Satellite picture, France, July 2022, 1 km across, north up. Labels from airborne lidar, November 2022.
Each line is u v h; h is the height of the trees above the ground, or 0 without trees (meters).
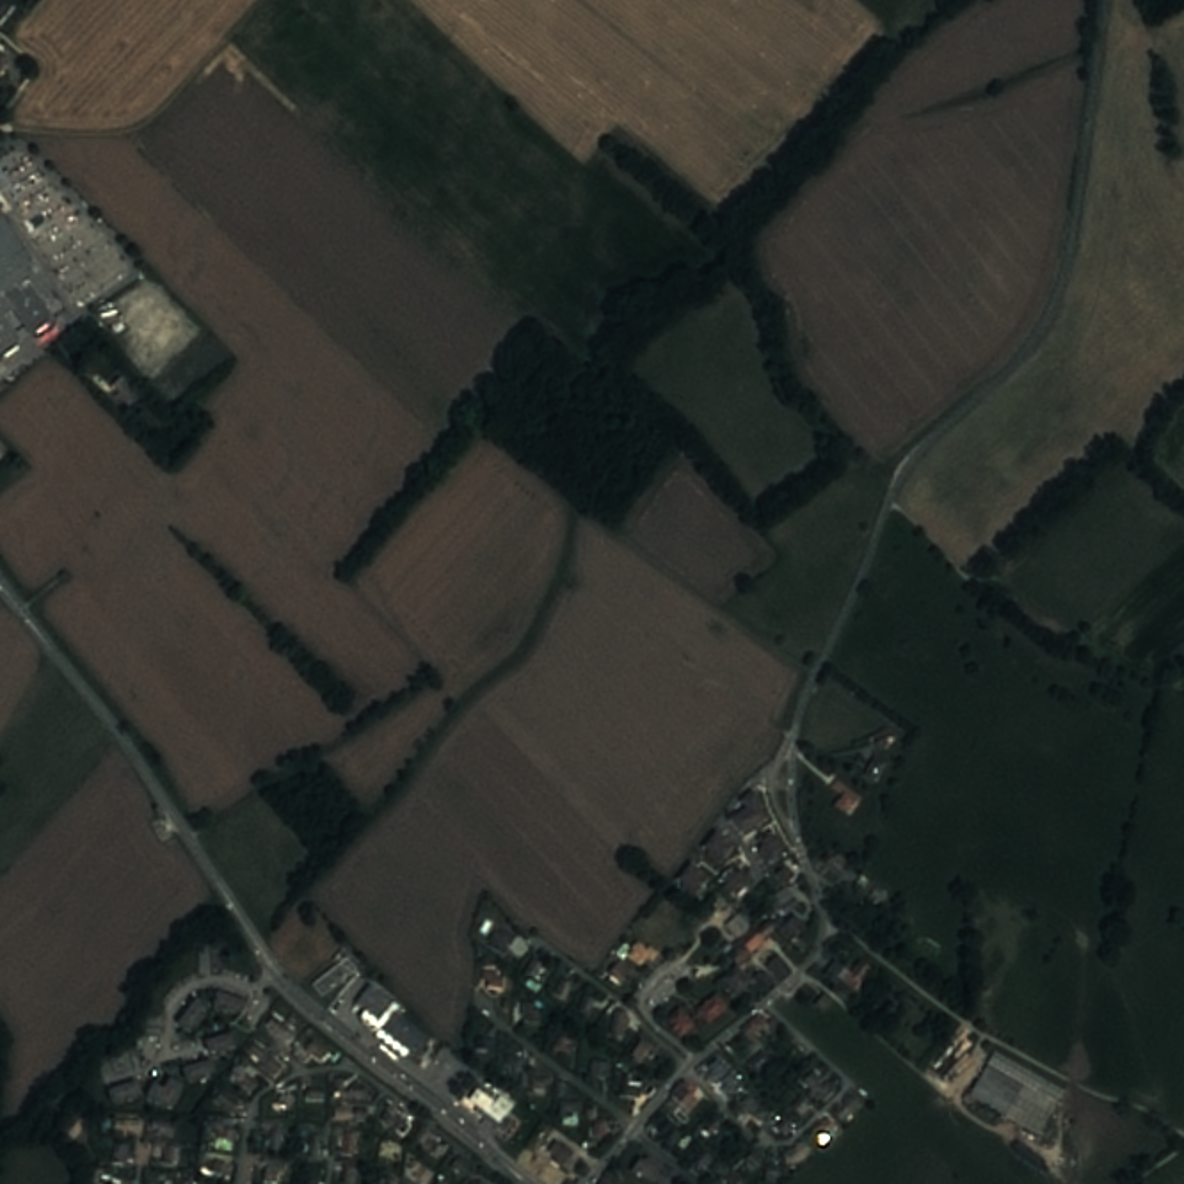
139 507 0
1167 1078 0
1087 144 0
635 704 0
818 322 0
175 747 0
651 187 15
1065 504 24
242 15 0
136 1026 22
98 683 0
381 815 0
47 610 0
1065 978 0
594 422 13
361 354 0
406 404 0
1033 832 0
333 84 0
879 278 0
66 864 0
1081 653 13
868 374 0
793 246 0
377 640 0
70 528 0
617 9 0
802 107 0
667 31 0
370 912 0
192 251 0
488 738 0
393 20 0
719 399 0
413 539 0
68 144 0
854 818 0
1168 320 0
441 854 0
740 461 0
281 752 0
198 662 0
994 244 0
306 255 0
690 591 0
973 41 0
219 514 0
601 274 0
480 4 0
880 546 0
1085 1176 0
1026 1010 0
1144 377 0
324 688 18
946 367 0
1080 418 0
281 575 0
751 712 0
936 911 0
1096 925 0
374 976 8
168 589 0
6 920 0
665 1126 9
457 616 0
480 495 0
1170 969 0
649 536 0
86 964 0
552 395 18
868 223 0
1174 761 0
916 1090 0
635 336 27
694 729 0
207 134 0
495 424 25
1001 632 0
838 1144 0
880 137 0
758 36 0
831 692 0
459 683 0
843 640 0
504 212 0
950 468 0
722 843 0
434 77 0
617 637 0
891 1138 0
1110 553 0
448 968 0
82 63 0
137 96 0
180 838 0
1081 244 0
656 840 0
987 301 0
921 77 0
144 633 0
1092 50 11
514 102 6
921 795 0
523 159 0
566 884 0
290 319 0
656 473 13
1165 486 22
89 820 0
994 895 0
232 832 0
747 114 0
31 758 0
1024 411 0
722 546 0
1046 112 0
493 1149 0
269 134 0
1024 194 0
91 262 0
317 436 0
